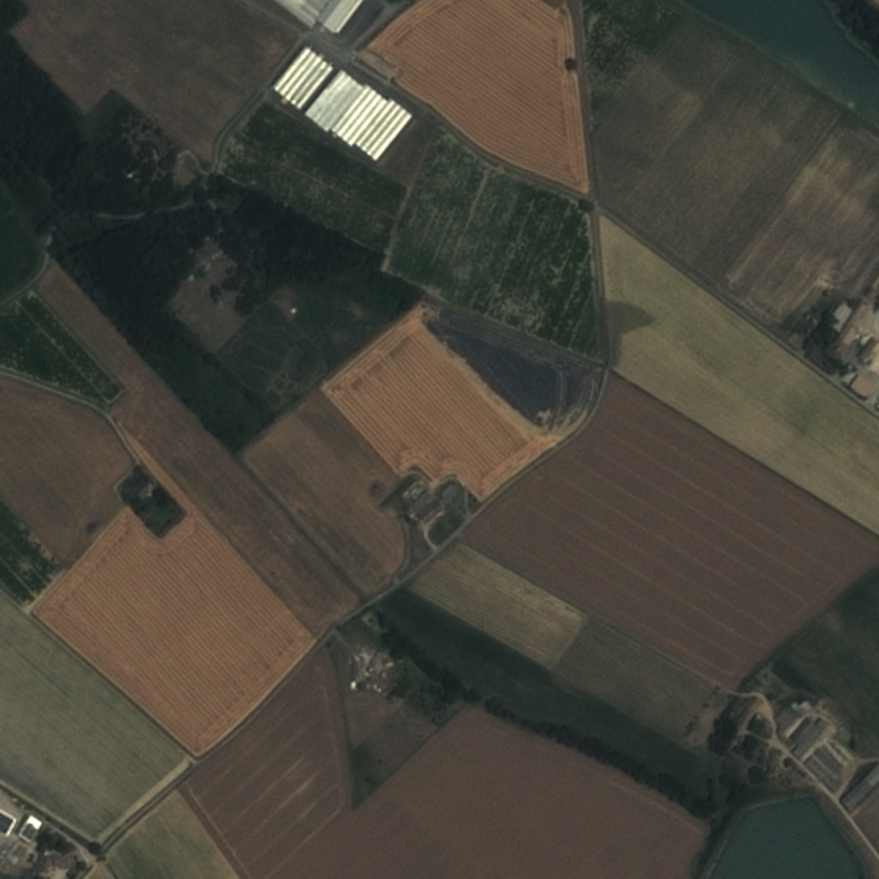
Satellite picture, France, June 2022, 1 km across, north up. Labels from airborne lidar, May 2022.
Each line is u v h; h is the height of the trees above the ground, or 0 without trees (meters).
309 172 0
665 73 0
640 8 0
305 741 0
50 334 0
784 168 0
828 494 0
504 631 0
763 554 0
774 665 0
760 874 0
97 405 0
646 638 0
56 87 11
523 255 0
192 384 0
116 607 0
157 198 13
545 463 0
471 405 0
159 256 20
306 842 0
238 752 0
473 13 0
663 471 0
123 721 0
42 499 0
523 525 0
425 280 0
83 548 0
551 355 0
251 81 0
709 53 0
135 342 11
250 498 0
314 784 0
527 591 0
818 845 0
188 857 0
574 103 0
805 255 0
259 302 6
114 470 0
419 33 0
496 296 0
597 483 0
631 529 0
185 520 0
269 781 0
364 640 0
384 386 0
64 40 0
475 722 0
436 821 0
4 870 0
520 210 0
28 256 0
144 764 0
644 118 0
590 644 0
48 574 0
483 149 0
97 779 0
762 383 0
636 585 0
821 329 11
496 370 0
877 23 19
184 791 0
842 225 0
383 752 0
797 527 0
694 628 0
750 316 0
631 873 0
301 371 0
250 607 0
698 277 0
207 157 0
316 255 14
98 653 0
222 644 0
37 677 0
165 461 0
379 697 0
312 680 0
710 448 0
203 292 0
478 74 0
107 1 0
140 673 0
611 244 0
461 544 0
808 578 0
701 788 0
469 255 0
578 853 0
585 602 0
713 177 0
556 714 0
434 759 0
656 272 0
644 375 0
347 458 0
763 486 0
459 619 0
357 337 0
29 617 0
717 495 0
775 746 0
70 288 0
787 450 0
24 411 0
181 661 0
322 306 0
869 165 0
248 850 0
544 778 0
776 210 0
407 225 0
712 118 0
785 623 0
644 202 0
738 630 0
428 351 0
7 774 0
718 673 0
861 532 0
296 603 0
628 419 0
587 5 0
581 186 0
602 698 0
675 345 0
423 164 0
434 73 0
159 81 0
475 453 0
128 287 14
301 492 0
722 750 15
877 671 0
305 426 0
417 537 0
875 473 0
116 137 7
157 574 0
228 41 0
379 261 10
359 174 0
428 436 0
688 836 0
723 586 0
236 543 0
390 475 0
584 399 0
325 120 0
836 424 0
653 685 0
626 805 0
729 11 0
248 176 0
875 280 0
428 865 0
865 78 0
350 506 0
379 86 0
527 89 0
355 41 0
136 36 0
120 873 0
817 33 0
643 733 0
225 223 16
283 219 16
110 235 20
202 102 0
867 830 0
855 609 0
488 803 0
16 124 18
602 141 0
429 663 16
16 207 0
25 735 0
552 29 0
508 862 0
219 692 0
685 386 0
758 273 0
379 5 0
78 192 14
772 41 0
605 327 0
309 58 0
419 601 0
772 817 0
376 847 0
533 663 0
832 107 0
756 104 0
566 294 0
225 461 0
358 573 0
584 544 0
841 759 0
